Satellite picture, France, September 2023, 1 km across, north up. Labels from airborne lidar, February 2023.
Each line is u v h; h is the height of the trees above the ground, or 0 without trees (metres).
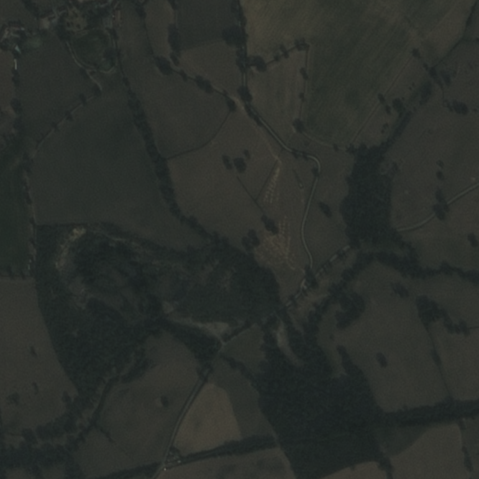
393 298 0
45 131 0
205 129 0
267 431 0
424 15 0
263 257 0
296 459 10
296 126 16
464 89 0
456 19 0
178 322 0
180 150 0
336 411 15
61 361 12
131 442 0
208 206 0
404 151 0
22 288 0
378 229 13
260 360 0
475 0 0
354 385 7
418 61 0
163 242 0
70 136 0
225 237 0
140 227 0
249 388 0
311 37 0
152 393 0
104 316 10
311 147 0
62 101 0
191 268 7
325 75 0
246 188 0
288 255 0
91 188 0
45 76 0
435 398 0
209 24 0
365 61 0
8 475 0
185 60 0
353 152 12
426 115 0
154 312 15
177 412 0
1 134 0
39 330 0
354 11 0
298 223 0
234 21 0
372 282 0
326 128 0
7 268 0
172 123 0
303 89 0
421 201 0
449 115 0
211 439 0
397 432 0
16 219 0
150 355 0
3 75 0
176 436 0
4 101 0
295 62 0
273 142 0
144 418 0
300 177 0
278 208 0
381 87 0
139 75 0
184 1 0
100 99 0
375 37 0
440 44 0
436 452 0
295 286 0
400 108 15
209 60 0
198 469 0
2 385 0
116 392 0
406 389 0
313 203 0
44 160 0
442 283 0
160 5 0
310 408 33
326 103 0
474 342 0
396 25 0
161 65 21
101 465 0
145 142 14
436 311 19
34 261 15
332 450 0
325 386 24
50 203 0
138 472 7
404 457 0
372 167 17
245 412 0
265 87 0
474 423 0
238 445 9
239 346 0
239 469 0
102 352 11
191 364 0
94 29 0
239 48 17
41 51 0
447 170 0
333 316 0
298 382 27
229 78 0
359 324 0
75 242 0
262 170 0
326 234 0
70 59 0
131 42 0
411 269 17
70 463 19
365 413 23
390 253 0
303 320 0
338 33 0
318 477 0
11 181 0
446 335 0
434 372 0
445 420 13
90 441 0
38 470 20
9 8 0
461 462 0
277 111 0
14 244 0
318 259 0
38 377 0
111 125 0
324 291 0
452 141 0
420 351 0
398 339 0
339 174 0
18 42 15
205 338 10
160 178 17
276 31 0
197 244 0
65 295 7
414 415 7
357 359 0
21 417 0
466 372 0
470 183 0
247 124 0
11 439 0
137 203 0
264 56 0
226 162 16
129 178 0
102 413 0
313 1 0
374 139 0
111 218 0
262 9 0
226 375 0
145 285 15
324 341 0
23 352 0
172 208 9
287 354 0
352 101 0
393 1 0
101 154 0
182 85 0
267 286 16
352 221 19
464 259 0
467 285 0
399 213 0
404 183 0
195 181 0
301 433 15
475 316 0
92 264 10
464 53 0
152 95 0
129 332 17
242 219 0
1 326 0
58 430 16
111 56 15
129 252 7
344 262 0
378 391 0
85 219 0
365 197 23
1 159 0
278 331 0
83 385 7
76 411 15
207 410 0
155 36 0
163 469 0
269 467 0
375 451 25
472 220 0
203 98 0
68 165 0
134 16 0
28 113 0
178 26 0
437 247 0
